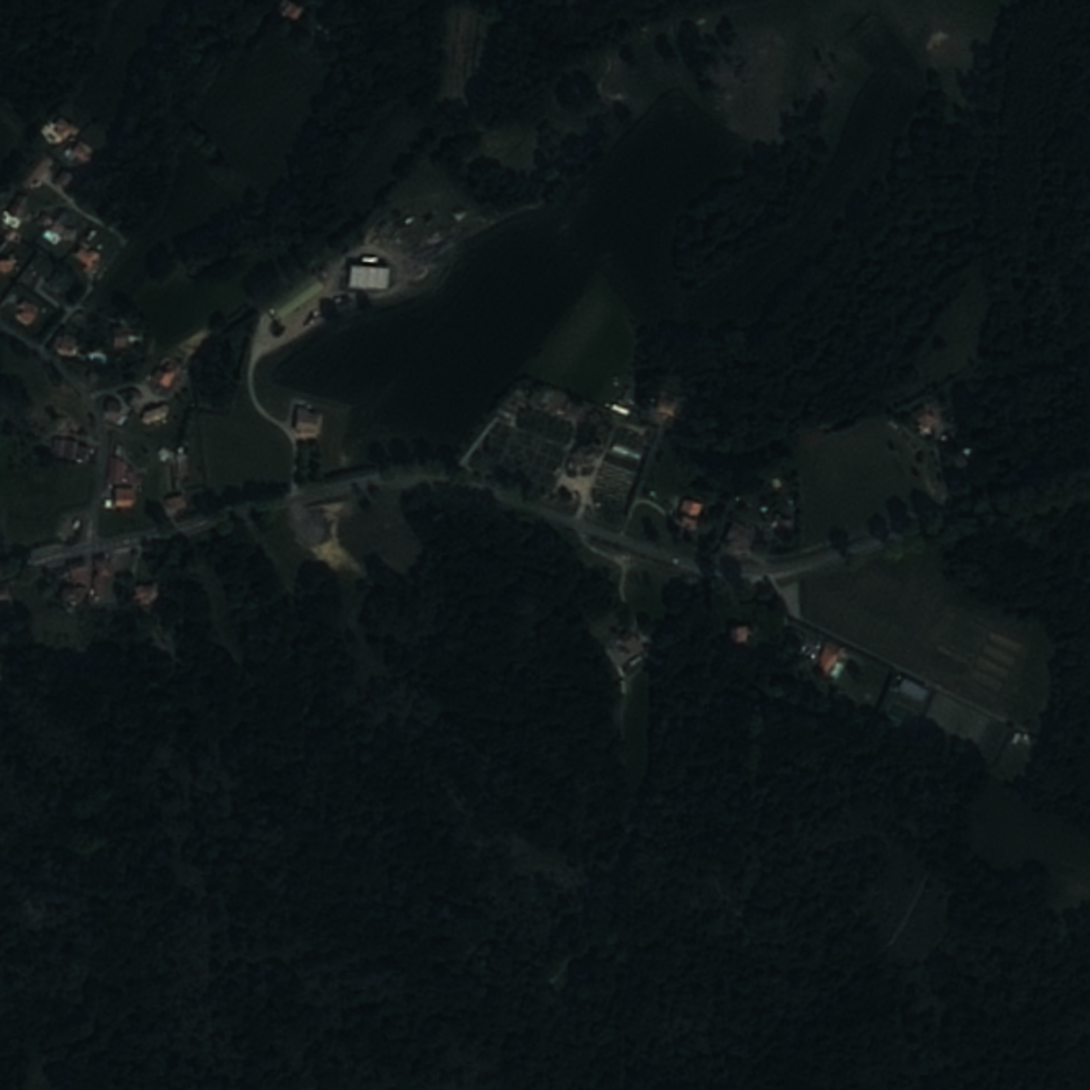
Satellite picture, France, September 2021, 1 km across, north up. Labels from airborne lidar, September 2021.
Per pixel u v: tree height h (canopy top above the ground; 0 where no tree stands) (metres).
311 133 15
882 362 16
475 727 23
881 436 0
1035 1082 11
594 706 21
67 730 24
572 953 18
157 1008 19
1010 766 0
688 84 0
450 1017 14
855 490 0
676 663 21
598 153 16
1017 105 19
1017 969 28
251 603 10
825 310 18
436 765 26
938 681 0
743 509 7
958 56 0
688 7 14
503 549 26
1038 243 19
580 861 9
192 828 10
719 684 9
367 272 0
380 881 22
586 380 0
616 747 25
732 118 0
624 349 0
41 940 17
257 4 22
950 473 7
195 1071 20
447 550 19
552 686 10
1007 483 17
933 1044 12
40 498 0
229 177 6
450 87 0
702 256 11
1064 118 15
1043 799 20
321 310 0
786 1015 8
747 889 6
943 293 11
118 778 24
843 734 19
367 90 27
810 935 12
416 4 17
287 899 22
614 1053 22
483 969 14
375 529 0
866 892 13
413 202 0
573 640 24
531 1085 21
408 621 18
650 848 22
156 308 0
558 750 23
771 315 16
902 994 11
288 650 21
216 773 26
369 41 27
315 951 10
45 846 25
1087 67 7
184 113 21
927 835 12
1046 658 0
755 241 17
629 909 26
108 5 13
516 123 20
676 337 22
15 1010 32
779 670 15
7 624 23
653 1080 18
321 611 29
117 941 29
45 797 24
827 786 17
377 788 24
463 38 0
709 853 23
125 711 26
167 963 16
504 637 17
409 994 18
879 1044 13
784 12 0
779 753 21
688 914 16
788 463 17
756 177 20
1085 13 17
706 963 14
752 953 15
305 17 6
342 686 25
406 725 24
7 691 18
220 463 0
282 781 27
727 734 21
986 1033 22
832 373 23
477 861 16
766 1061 11
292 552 0
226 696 27
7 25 11
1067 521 22
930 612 0
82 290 10
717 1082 8
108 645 12
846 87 0
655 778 15
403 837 24
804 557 0
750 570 0
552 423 7
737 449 21
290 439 0
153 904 22
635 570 0
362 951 19
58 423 12
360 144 12
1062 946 18
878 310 16
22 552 0
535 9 15
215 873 16
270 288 28
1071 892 0
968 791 24
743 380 28
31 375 0
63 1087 20
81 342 8
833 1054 11
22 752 24
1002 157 18
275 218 22
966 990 22
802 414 19
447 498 17
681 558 0
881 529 0
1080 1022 6
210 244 26
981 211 20
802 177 14
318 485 13
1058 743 21
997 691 0
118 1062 21
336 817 21
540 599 25
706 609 20
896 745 21
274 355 0
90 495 0
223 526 24
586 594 20
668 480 0
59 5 15
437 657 24
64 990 14
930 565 0
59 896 28
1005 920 24
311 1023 16
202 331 0
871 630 0
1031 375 15
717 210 13
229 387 21
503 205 12
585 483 0
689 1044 10
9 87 17
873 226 13
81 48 16
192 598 28
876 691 0
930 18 0
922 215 7
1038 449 14
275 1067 14
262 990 24
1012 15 9
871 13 0
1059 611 13
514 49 26
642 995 19
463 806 20
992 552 24
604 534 0
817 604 0
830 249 9
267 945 18
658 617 0
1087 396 18
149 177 22
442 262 0
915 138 17
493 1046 12
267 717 28
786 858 9
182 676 14
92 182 18
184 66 31
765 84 0
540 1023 24
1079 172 22
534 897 6
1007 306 12
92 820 10
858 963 13
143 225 12
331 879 17
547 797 14
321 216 24
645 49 0
